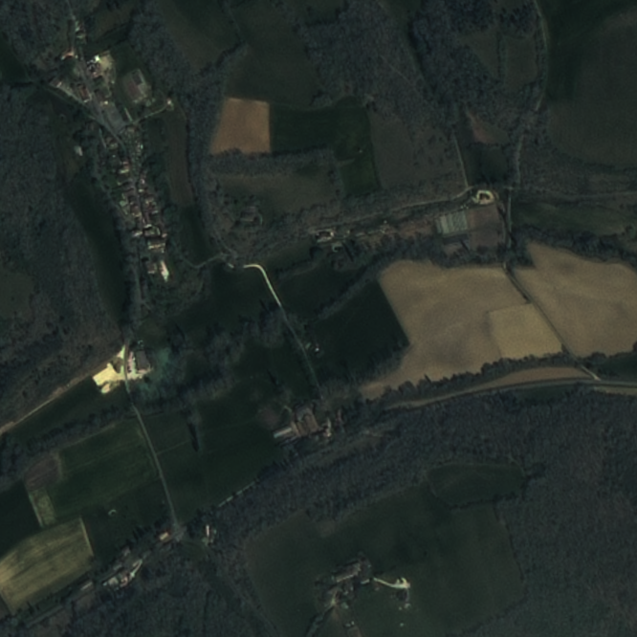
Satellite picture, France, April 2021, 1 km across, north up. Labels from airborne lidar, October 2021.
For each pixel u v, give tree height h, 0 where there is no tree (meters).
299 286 0
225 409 0
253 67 0
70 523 0
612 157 0
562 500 15
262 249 20
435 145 0
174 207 8
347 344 0
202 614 19
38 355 17
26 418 0
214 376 0
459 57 16
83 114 7
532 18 21
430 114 14
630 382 0
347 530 0
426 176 0
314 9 7
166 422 0
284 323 28
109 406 0
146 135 7
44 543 0
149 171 10
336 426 17
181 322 0
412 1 0
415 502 0
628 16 0
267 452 0
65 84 17
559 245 22
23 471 17
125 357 0
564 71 0
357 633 0
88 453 0
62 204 20
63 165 0
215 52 0
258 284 0
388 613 0
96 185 15
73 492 0
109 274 0
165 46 19
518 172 12
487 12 20
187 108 15
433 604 0
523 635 15
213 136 17
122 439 0
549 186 9
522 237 21
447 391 14
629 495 16
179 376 23
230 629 21
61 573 0
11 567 0
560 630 14
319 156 20
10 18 18
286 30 0
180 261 14
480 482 0
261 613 8
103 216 0
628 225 0
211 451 0
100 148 12
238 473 0
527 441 14
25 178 22
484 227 0
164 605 13
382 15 23
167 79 14
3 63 0
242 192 0
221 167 19
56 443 20
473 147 8
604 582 11
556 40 0
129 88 0
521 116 12
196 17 0
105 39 0
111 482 0
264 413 0
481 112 12
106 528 0
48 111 0
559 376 0
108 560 0
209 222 17
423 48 34
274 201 0
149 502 0
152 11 20
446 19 18
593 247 22
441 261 19
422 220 12
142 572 0
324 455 6
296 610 0
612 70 0
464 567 0
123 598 12
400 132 0
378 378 29
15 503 0
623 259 16
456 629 0
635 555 13
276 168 21
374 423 7
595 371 17
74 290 13
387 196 8
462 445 12
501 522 12
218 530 8
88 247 18
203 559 0
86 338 7
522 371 11
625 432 9
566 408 13
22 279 0
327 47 19
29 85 7
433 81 24
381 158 0
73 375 6
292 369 0
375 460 14
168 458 0
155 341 0
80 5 22
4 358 16
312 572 0
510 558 0
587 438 14
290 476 16
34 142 12
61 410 0
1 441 0
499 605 0
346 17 17
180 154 0
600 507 11
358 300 0
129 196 0
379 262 17
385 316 0
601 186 0
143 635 16
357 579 8
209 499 0
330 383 32
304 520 0
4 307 0
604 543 14
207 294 15
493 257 16
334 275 0
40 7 14
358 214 15
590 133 0
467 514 0
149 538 15
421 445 18
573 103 0
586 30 0
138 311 19
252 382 0
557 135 0
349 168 0
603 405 7
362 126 0
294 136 0
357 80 21
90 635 12
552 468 17
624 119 0
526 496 12
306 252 0
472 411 13
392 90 14
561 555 15
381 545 0
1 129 20
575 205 7
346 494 12
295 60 0
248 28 0
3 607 0
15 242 7
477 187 13
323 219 13
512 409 12
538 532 14
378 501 16
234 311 0
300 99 0
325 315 14
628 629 7
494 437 13
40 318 15
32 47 13
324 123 0
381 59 12
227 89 12
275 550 0
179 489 0
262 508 13
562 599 13
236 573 9
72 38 7
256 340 32
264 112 0
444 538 0
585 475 14
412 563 0
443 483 0
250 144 0
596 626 9
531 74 0
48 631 0
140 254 13
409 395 18
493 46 0
